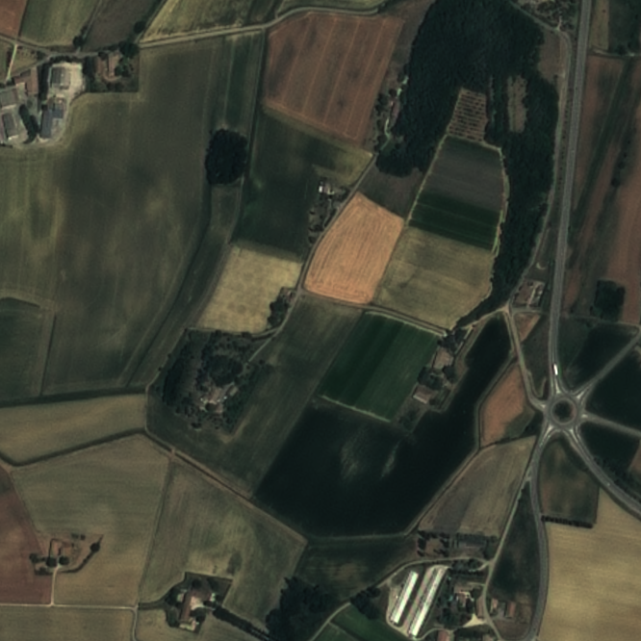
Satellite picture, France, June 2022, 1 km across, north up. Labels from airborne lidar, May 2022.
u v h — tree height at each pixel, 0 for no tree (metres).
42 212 0
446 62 13
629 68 0
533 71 11
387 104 12
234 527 0
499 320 0
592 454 0
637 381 0
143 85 0
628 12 0
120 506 0
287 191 0
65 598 0
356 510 0
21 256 0
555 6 6
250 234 0
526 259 7
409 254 0
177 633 0
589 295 0
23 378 0
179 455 0
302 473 0
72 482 0
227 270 0
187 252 0
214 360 11
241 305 0
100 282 0
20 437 0
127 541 0
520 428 0
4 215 0
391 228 0
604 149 0
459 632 13
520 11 12
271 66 0
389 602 0
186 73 0
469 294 0
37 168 0
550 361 0
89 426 0
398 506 0
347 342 0
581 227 0
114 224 0
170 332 0
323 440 0
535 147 10
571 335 0
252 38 0
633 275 0
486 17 8
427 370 12
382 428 0
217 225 0
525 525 0
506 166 11
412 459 0
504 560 0
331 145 0
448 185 0
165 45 0
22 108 10
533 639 0
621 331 0
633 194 0
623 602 0
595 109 0
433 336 0
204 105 0
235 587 0
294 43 0
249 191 0
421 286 0
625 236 0
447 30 12
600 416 0
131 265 0
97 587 0
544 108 11
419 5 0
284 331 0
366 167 0
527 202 15
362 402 0
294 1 0
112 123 0
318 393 0
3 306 0
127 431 0
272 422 0
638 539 0
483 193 0
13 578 0
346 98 0
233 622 13
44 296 0
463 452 0
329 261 0
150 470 0
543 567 0
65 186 0
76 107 0
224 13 0
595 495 0
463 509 0
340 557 0
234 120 0
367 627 0
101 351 0
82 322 0
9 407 0
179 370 7
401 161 11
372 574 0
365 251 0
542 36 7
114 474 0
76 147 0
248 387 6
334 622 0
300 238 0
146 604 5
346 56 0
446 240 0
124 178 0
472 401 0
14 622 0
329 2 0
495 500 0
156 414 0
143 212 0
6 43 0
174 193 0
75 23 0
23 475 0
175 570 0
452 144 0
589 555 0
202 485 0
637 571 0
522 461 0
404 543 0
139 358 0
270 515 0
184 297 0
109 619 0
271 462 0
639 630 0
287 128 0
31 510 0
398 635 0
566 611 0
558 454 0
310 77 0
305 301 0
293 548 0
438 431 0
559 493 0
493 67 11
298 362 0
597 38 0
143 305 0
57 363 0
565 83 0
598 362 0
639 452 0
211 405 10
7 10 0
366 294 0
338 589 0
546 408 0
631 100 0
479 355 0
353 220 0
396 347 0
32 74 0
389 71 0
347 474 0
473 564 17
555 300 0
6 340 0
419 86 9
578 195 0
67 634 0
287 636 20
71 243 0
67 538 0
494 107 12
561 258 0
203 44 0
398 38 0
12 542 0
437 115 13
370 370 0
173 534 0
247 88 0
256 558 0
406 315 0
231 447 0
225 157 25
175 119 0
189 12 0
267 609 0
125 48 19
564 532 0
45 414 0
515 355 0
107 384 0
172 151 0
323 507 0
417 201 0
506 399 0
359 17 0
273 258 0
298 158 0
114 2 0
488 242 0
